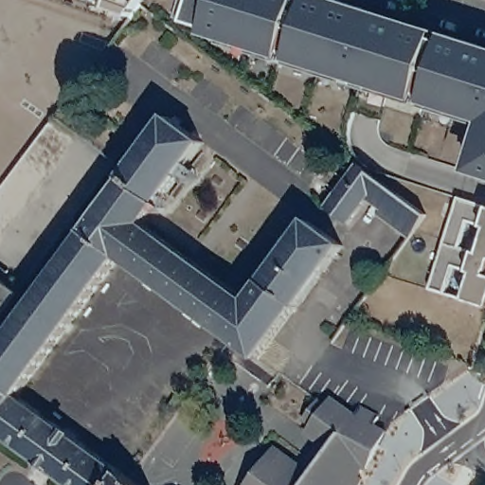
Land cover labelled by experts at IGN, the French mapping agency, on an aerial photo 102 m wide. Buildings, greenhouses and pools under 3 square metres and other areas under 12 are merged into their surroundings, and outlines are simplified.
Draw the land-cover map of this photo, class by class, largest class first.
<instances>
[{"label":"impervious surface","instance_id":"1","mask_svg":"<svg viewBox=\"0 0 485 485\"><path fill-rule=\"evenodd\" d=\"M352 6L371 9L405 23L449 34L472 44L485 45V0H341ZM110 42L104 36L93 32H80L70 40H63L55 55V76L59 85L80 76L81 72H127L129 102L133 106L140 97L148 104V110L153 114L171 119L174 125H178L188 135L191 142L197 136L201 138L199 152L186 161V169L195 171L193 178L186 180L184 186L176 182L172 184L169 188L172 197L165 203V207H161L159 214L169 218L193 188H197L207 178L216 161L214 152H220L227 159H231L237 167H241L242 171L248 172L250 178L256 180L267 191H271L278 201L290 186L307 193L311 189L322 191L333 174H314L309 171L305 165V148L303 133L280 138L275 131L267 129L261 123V119L252 116L244 108L235 110L233 114H222L218 117V110L222 108L227 97L210 81L205 80L195 83L193 80H172V74L180 72L182 64L169 53L157 49L155 45H148L142 55H131L127 49L119 47L108 45ZM210 44L220 47L235 59L244 55L250 63L258 61L261 55L250 49H241L237 45L216 42L208 36H203ZM271 64L277 66V70L284 76L305 80L314 78L318 83L333 91H347L349 95H358V99L368 102L371 106H381L413 114H424L430 119L441 121L445 125L449 123V117L432 108H422L413 102H398L381 97L358 83L324 78L318 72L303 70L292 64L282 63L278 59H271ZM352 146H358L368 155L386 171L409 176L434 188L447 189L455 197H462L485 207V178H474L470 172L458 169L430 161L422 155L405 152L390 148L383 142L379 119L350 114L347 119V142L345 153L350 155ZM117 163V159L104 144L95 142H91L83 152L70 153L61 167H45L42 186L30 191L27 210L15 216L13 222L6 225V233L0 244V284H4L9 290L13 286V280L30 284L34 280L51 258V254L68 235L81 210L87 207V203L104 184L106 176L102 174V169ZM297 218L314 225L333 244H337L339 254L314 282L309 294L299 303L296 313L286 320L273 345L267 350L269 354H260L254 360H250L248 354L242 350L229 356V350L225 349L216 337L201 330L199 322L193 316L184 313L182 307L174 305L167 297L152 296L150 284H146L142 278L135 277L129 269L116 265V269L108 277V292H95L91 296V314L74 318V330L53 347V352L47 356V362L40 368L38 377L30 379L27 386L13 392L17 400L32 407L42 419L55 424L66 436L81 443L93 455L102 458L110 466L108 472H114L119 483L123 485H242L246 474L269 449H277L284 457L296 462L288 485H294L307 468V464L313 460L316 451L326 441L322 436L313 441L303 436V428L299 424L301 413L305 409L316 411L328 398L349 411L366 409L369 413H375L373 421H377V426L381 430H386V426L392 421L398 424V432L396 436H392V447L388 451H375L373 470H366L362 466L360 479L356 485H485V383L477 381L479 373L470 368V364L477 358V347L470 345L466 354L453 352L445 366L421 364L413 358L407 360L404 352H400L396 345H390L373 335H366L360 341H354V337L347 333V326H339L333 337L324 335L320 330L322 320L335 322L349 307L352 297L356 296V292H352L354 284L350 275V263L369 260L375 263H388L404 241L398 237L400 229L386 222L385 218L377 216L371 203L358 214L354 225L347 227V241L339 239L330 216L324 210L316 208L314 214H299ZM231 360L237 371L233 383L235 388H225L214 377L212 366L229 364ZM205 364L208 383L216 386V398H210V404L222 407L225 415L244 413L248 417H254L256 422H263V428L275 430L282 436V441H267L248 449L246 453H242L241 449L229 451L218 464L203 462L199 441L191 440L178 428H171L148 460L138 464V460L127 451L133 438L127 434V430L144 421L150 411H163L165 404L171 402L176 392L191 388L188 377L182 375V371L188 366ZM286 385L301 386L307 396L297 411L280 415L277 409L269 404V398L275 396V386L282 388ZM47 476L40 468L32 466L30 468L27 477L11 472L0 479V485H45Z\"/></svg>","mask_w":485,"mask_h":485},{"label":"building","instance_id":"2","mask_svg":"<svg viewBox=\"0 0 485 485\"><path fill-rule=\"evenodd\" d=\"M85 2L83 8L102 11L116 23L119 19H131L136 15L142 0H81ZM174 23L189 27L191 32L203 36H208L216 42L237 45L241 49H250L261 55L271 59H278L282 63L292 64L303 70L318 72L324 78L358 83L381 97L398 102H413L422 108H432L449 117V123H472L468 142L464 144L458 159V169L470 172L474 178H485V45L472 44L449 34L405 23L371 9L352 6L341 0H178L176 13L172 17ZM201 138L197 136L191 142L188 135L178 125H174L171 119L153 114L136 133L127 150L117 159V163L102 169V174L106 176L104 184L87 203V207L81 210L68 235L51 254V258L34 280L30 284L13 280V286L9 290L4 284H0V440L17 453H21L32 466L40 468L47 476L45 485H123L119 483L114 472H108L110 466L102 458L93 455L81 443L66 436L55 424L42 419L32 407L17 400L13 392L27 386L30 379L38 377L40 368L47 362V356L53 352V347L74 330V318L91 314V296L95 292H108V277L116 269V265L129 269L135 277L142 278L146 284H150L152 296L167 297L174 305L182 307L184 313L193 316L199 322L201 330L216 337L225 349L229 350V356L242 350L248 354L250 360H254L260 354H269L267 350L273 345L286 320L296 313L299 303L309 294L314 282L339 254L337 244H333L314 225L297 218H292V222L284 227L277 241L273 242L263 260L258 263V267L252 271V275L244 280L241 288L233 294L205 271H201L197 265L186 260L182 254L172 250L169 244L157 239L146 227L136 222L148 214H159L161 207H165V203L172 197L169 188L172 184L176 182L184 186L186 180L193 178L195 171L186 169V161L199 152ZM368 155L358 146H352L350 155L349 161L333 174L322 191L311 189L307 193L309 201L316 208L324 210L330 216L339 239L347 241V227L354 225L358 214L371 203L377 216L385 218L386 222L400 229L398 237L404 241L413 246L415 242L424 241L417 233L424 224V216L400 195H396L379 180L369 176L368 172L360 169L362 161ZM426 292L434 296L447 297V301L468 305L470 309L485 307V207L462 197H455L441 235L440 248L432 254V271L426 282ZM375 413H369L366 409L349 411L328 398L316 411L305 409L301 413L299 424L303 428V436L313 441L322 436L326 441L316 451L313 460L307 464V468L294 485H356L360 479L362 466L366 470H373L375 451H388L392 447V436H396L398 432V424L392 421L386 426V430H381L377 426V421H373ZM296 462L284 457L277 449H269L246 474L242 485H288Z\"/></svg>","mask_w":485,"mask_h":485},{"label":"herbaceous vegetation","instance_id":"3","mask_svg":"<svg viewBox=\"0 0 485 485\"><path fill-rule=\"evenodd\" d=\"M85 2L81 0H0V186L8 178L9 172L13 171V167L19 163L23 153L30 148L34 138L40 135V131L49 123L53 114L57 112L55 100L59 97V85L55 76V55L63 40H70L80 32H93L104 36L110 42L119 28L129 27L131 19H119L116 23L102 11L83 8ZM178 0H142L136 15L144 19H153V11L165 8L172 17L176 13ZM159 34L146 28L135 30L131 36L123 38L119 47L127 49L131 55H142L148 45H155ZM182 64H186L191 70L203 72L205 80L210 81L227 97L222 108L218 110V117L222 114H233L235 110L244 108L252 116L261 119V123L267 129L275 131L280 138L303 133L305 148H326L328 152L333 153L345 142L333 133V129L339 125L341 110L349 95L347 91H333L318 83L314 87L309 116L320 125L311 129L309 123L299 125L296 117L288 114L284 108H278L277 104L267 99L258 87L252 85L248 93H244L241 89V80L237 76L229 74L222 64L212 61L208 55L199 51L195 45L188 44L186 40H178L172 45L169 53ZM275 91L284 95L292 104H296L297 108L301 106L305 80L284 76L277 70V78L273 83ZM123 112L125 119L116 131L112 127H104V131L95 136V142L104 144L117 159L127 150L136 133L153 114L148 110V104L140 97L133 106L129 102H121L116 108L108 110V116L117 117V114ZM383 117L379 119L383 142L390 148L405 152V142L411 129L413 114L381 106ZM472 123H449L445 125L441 121L430 119L422 123L415 142L417 146L424 148L422 155L430 161L458 169V159L464 144L468 142ZM360 169L368 172L369 176L379 180L396 195H400L424 216V224L417 233L424 241L415 242L413 246L404 241L388 263V277L385 278V282L375 292L362 296V305H366L371 316L383 322H396L404 313L421 314L426 318V322L438 324L441 330L447 333L453 352L466 354L470 345L477 347L481 345L485 332V307L470 309L468 305L447 301V297L434 296L426 292V282L432 271V254L440 248L441 235L455 197L447 189L434 188L409 176L386 171L368 155L362 161ZM235 184V172L224 169L216 161L207 178L197 188H193L169 218L159 214H148L136 222L146 227L157 239L169 244L172 250L182 254L186 260L197 265L201 271H205L233 294L241 288L244 280L252 275V271L258 267V263L263 260L273 242L277 241L284 227L292 222V218H297L299 214H314L316 208L309 201L307 193L290 186L278 201L271 191H267L256 180L250 178H246V184L231 199V205L222 210L220 220L210 227L203 241H195L193 235L207 224L210 218L208 212L205 208L199 207L195 195L214 188L216 199L224 201L225 193ZM307 396L301 386L286 385L282 388L275 386V396L269 398V404L277 409L280 415L297 411ZM171 428H178L191 440L199 441L203 462L218 464L229 451L241 449L242 453H246L248 449L244 445L235 443L227 436L225 417L222 421L214 422L210 436L205 438L201 434L189 432L188 415H178L174 411L169 417L163 411H150L144 421L127 430V434L133 438L127 451L138 460V464L148 460ZM30 468L11 462L0 453V479L11 472L27 477Z\"/></svg>","mask_w":485,"mask_h":485},{"label":"deciduous trees","instance_id":"4","mask_svg":"<svg viewBox=\"0 0 485 485\"><path fill-rule=\"evenodd\" d=\"M121 102H129L127 72H81L80 76L59 85V97L55 100L57 112L53 114L49 123L59 125L66 133H76L81 138H89L91 142H95V136L104 131V127H112L116 131L125 119L123 112L117 114V117L108 116V110L116 108ZM347 142H345L333 153L328 152L326 148H305V165L309 171L314 174H333L349 161L350 155L345 153ZM199 207L205 208L208 212L216 205V199L214 188L195 195ZM350 275L354 284L352 292H356V296L352 297L349 307L335 322L322 320L320 330L324 335L333 337L339 326H347V333L354 337V341H360L366 335H373L390 345H396L400 352H404L407 360L413 358L421 364L445 366L453 352L447 333L441 330L438 324L426 322V318L421 314L404 313L396 322H383L371 316L366 305H362V296L375 292L385 282V278L388 277V263H375L369 260L350 263ZM477 358L470 364V368L479 373L477 381L485 383V332L481 345L477 347ZM214 377L225 388H235L233 383L237 371L231 360L229 364L212 366ZM182 375L188 377L191 388L176 392L171 402L165 404L163 411L169 417L174 411L178 415H188L189 432L201 434L205 438L210 436L214 422L222 421L225 417L227 436L235 443L244 445L250 441V436H260L263 428V422H256L254 417H248L244 413L225 415L222 407L210 404V398H216V386L208 383L205 364L188 366L182 371Z\"/></svg>","mask_w":485,"mask_h":485},{"label":"brushwood","instance_id":"5","mask_svg":"<svg viewBox=\"0 0 485 485\"><path fill-rule=\"evenodd\" d=\"M146 28L159 34L155 45L157 49L169 53L172 45L178 40H186L188 44L195 45L199 51L208 55L212 61L222 64L229 74L237 76L241 80V89L244 93H248L252 85L258 87L267 99L277 104L278 108H284L288 114L296 117L299 125L309 123L311 129L320 125L309 116L314 87L318 83L314 78L305 80L301 106L297 108L296 104H292L284 95L275 91L273 83L277 78V66L271 64V59L261 55L258 61L250 63L244 55L235 59L220 47L210 44L203 36L191 32L189 27L174 23L172 17L165 8L153 11V19H144L136 15L131 19L129 27L119 28L110 42L108 45L119 47L123 38L131 36L135 30ZM172 80H193L195 83L205 80L203 72L191 70L186 64H182L180 72L172 74ZM350 114L379 119L383 117L381 106H371L368 102L358 99V95H349L341 110L339 125L333 129V133L345 142H347V119ZM430 119L424 114H413L411 129L405 142V152L422 155L424 148L417 146L415 142L422 123ZM216 161L224 169L235 172V184L225 193L224 201L216 199V205L208 212L210 218L207 224L193 235L195 241H203L210 227L220 220L222 210L231 205V199L246 184V178H250L248 172L242 171L241 167H237L231 159H227L220 152H214ZM267 441H282V436L275 430L263 428L260 436H250V441L244 445L248 449ZM0 453L11 462L30 468L32 466L21 453H17L0 440Z\"/></svg>","mask_w":485,"mask_h":485},{"label":"pervious surface","instance_id":"6","mask_svg":"<svg viewBox=\"0 0 485 485\"><path fill-rule=\"evenodd\" d=\"M91 142L89 138H81L76 133H66L59 125L49 123L40 131V135L34 138L30 148L23 153L19 163L13 167V171L9 172L8 178L0 186V244L6 233V225L13 222L15 216L27 210L30 191L42 186L45 167H61L70 153L83 152Z\"/></svg>","mask_w":485,"mask_h":485}]
</instances>
